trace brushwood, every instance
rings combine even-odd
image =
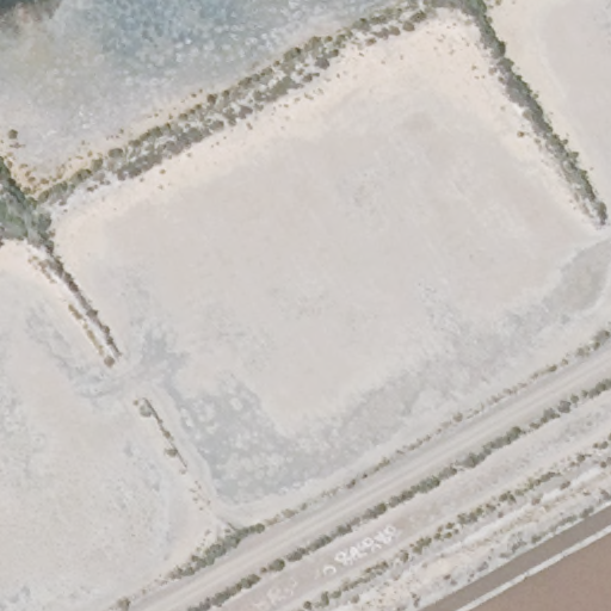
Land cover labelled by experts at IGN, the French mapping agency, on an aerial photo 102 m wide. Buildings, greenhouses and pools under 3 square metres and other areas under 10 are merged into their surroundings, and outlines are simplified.
[[[506,55],[506,43],[496,36],[487,5],[482,0],[387,0],[379,14],[360,17],[346,24],[337,36],[308,38],[298,48],[291,48],[282,57],[270,62],[267,69],[241,79],[222,93],[210,93],[205,103],[193,105],[181,115],[169,115],[167,124],[138,134],[122,148],[110,148],[107,153],[100,153],[100,158],[93,160],[88,167],[79,169],[64,184],[55,184],[36,198],[29,198],[21,191],[21,186],[12,177],[12,169],[0,158],[0,248],[5,241],[26,241],[31,246],[38,246],[29,263],[45,272],[50,282],[62,279],[67,284],[67,289],[74,294],[74,298],[88,315],[84,320],[84,332],[88,341],[98,351],[98,358],[103,358],[105,365],[112,368],[122,358],[122,351],[112,337],[110,325],[103,322],[98,310],[91,306],[86,294],[74,282],[72,272],[60,260],[53,241],[50,215],[45,212],[43,203],[62,205],[67,203],[67,196],[76,189],[98,191],[105,184],[105,174],[110,172],[117,174],[117,179],[134,179],[155,167],[158,162],[174,158],[184,148],[208,138],[210,134],[224,126],[234,126],[236,119],[260,112],[267,103],[274,103],[277,98],[286,95],[286,91],[306,88],[310,81],[322,76],[329,62],[339,57],[339,53],[344,50],[346,41],[351,41],[358,31],[368,36],[368,45],[375,45],[382,38],[415,31],[420,21],[432,19],[437,14],[439,7],[461,10],[475,19],[485,48],[492,50],[494,62],[499,64],[499,81],[506,86],[508,98],[525,107],[525,117],[535,124],[537,134],[544,136],[547,150],[556,155],[558,169],[566,177],[566,181],[580,184],[575,200],[580,203],[580,210],[592,220],[606,220],[606,205],[597,196],[587,172],[578,165],[578,153],[570,150],[568,143],[554,131],[549,119],[544,117],[537,95],[513,69],[513,62]]]
[[[148,399],[134,399],[134,406],[141,411],[141,415],[155,420],[165,439],[174,437]]]
[[[480,518],[494,513],[494,504],[480,504],[470,513],[458,516],[463,525],[473,525]]]
[[[337,590],[325,592],[320,599],[301,604],[296,611],[320,611],[329,606],[329,601],[339,601],[341,594],[346,594],[348,590],[370,585],[382,573],[391,580],[399,580],[406,566],[413,563],[430,544],[458,537],[453,523],[446,523],[437,527],[434,535],[418,539],[389,561],[368,566],[360,578],[346,580]]]
[[[551,482],[554,473],[549,470],[537,477],[530,477],[518,489],[499,494],[501,501],[516,504],[527,492]]]
[[[334,485],[332,489],[325,489],[306,499],[303,504],[286,508],[263,523],[227,530],[227,537],[210,544],[203,556],[191,556],[186,566],[169,570],[169,575],[174,580],[191,578],[203,568],[215,566],[217,558],[236,549],[251,535],[260,535],[272,527],[286,530],[298,520],[327,511],[337,499],[346,499],[356,487],[391,468],[387,458],[382,458],[379,463],[353,475],[348,482]]]
[[[558,406],[551,406],[539,418],[530,420],[532,430],[539,430],[549,420],[556,420],[570,408],[575,408],[580,401],[594,399],[611,389],[611,377],[597,382],[590,389],[580,389],[566,396],[563,401],[558,401]]]
[[[453,477],[456,473],[480,465],[496,449],[508,446],[518,437],[523,437],[520,427],[511,427],[506,434],[485,442],[480,451],[470,453],[468,458],[453,458],[432,477],[425,477],[403,489],[401,494],[384,499],[382,504],[363,513],[351,516],[346,523],[337,525],[327,535],[313,539],[306,547],[294,549],[291,554],[282,554],[272,563],[255,568],[251,575],[236,580],[234,585],[224,587],[212,597],[205,597],[200,604],[186,611],[210,611],[212,606],[220,606],[234,594],[239,594],[241,590],[253,587],[267,573],[277,573],[286,563],[301,561],[303,556],[348,535],[358,525],[375,520],[389,508],[396,508],[399,504],[413,499],[415,494],[430,492],[439,487],[444,480]]]

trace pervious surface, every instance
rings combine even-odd
[[[453,611],[473,611],[487,604],[489,599],[504,594],[506,590],[520,585],[523,580],[551,568],[570,554],[611,535],[611,523]]]
[[[430,544],[413,563],[406,566],[399,580],[391,580],[382,573],[370,585],[348,590],[346,594],[341,594],[339,601],[329,601],[329,606],[320,611],[422,611],[437,599],[458,592],[468,582],[489,575],[499,566],[513,561],[516,556],[575,527],[582,520],[585,508],[599,513],[611,506],[611,389],[594,399],[580,401],[575,408],[570,408],[556,420],[549,420],[539,430],[532,430],[530,420],[539,418],[551,406],[558,406],[558,401],[563,401],[566,396],[580,389],[590,389],[597,382],[611,377],[611,0],[482,0],[487,5],[496,36],[506,43],[506,55],[513,62],[513,69],[537,95],[544,117],[549,119],[554,131],[568,143],[570,150],[578,153],[578,165],[587,172],[597,196],[606,205],[606,220],[592,220],[580,210],[580,203],[575,200],[580,184],[566,181],[566,177],[558,169],[556,155],[547,150],[544,136],[537,134],[535,124],[525,117],[525,107],[508,98],[506,86],[499,81],[499,64],[494,62],[492,50],[485,48],[475,19],[461,10],[439,7],[437,14],[432,19],[420,21],[415,31],[382,38],[375,45],[368,45],[368,36],[358,31],[351,41],[346,41],[344,50],[339,53],[339,57],[329,62],[322,76],[310,81],[306,88],[286,91],[286,95],[277,98],[274,103],[267,103],[260,112],[236,119],[234,126],[224,126],[210,134],[208,138],[184,148],[174,158],[158,162],[155,167],[134,179],[117,179],[117,174],[110,172],[105,174],[105,184],[98,191],[76,189],[67,196],[67,203],[62,205],[43,203],[45,212],[50,215],[53,241],[60,260],[72,272],[74,282],[86,294],[91,306],[98,310],[103,322],[110,325],[112,337],[122,351],[122,358],[112,368],[105,365],[103,358],[98,358],[98,351],[88,341],[84,332],[84,320],[88,315],[74,298],[74,294],[67,289],[67,284],[62,279],[50,282],[45,272],[29,263],[38,246],[31,246],[26,241],[5,241],[0,248],[0,611],[186,611],[200,604],[205,597],[212,597],[224,587],[234,585],[236,580],[251,575],[255,568],[272,563],[282,554],[291,554],[294,549],[306,547],[313,539],[327,535],[337,525],[346,523],[351,516],[363,513],[382,504],[384,499],[401,494],[403,489],[425,477],[432,477],[453,458],[468,458],[470,453],[480,451],[485,442],[506,434],[511,427],[520,427],[523,437],[518,437],[508,446],[496,449],[480,465],[456,473],[453,477],[444,480],[439,487],[430,492],[415,494],[413,499],[399,504],[396,508],[389,508],[375,520],[358,525],[348,535],[303,556],[301,561],[286,563],[277,573],[267,573],[253,587],[241,590],[239,594],[234,594],[220,606],[212,606],[210,611],[296,611],[301,604],[320,599],[325,592],[337,590],[346,580],[360,578],[368,566],[389,561],[418,539],[434,535],[437,527],[446,523],[453,523],[458,537]],[[155,420],[141,415],[141,411],[134,406],[134,399],[148,399],[174,437],[165,439]],[[306,499],[325,489],[332,489],[334,485],[348,482],[353,475],[379,463],[382,458],[387,458],[391,468],[356,487],[346,499],[337,499],[327,511],[298,520],[286,530],[272,527],[260,535],[251,535],[236,549],[217,558],[215,566],[203,568],[191,578],[174,580],[169,575],[169,570],[186,566],[191,556],[203,556],[210,544],[227,537],[227,530],[263,523],[286,508],[303,504]],[[549,470],[554,473],[551,482],[527,492],[516,504],[501,501],[499,494],[518,489],[530,477],[537,477]],[[463,525],[458,516],[470,513],[480,504],[494,504],[494,513],[480,518],[473,525]]]
[[[64,184],[79,169],[88,167],[93,160],[100,158],[100,153],[107,153],[110,148],[122,148],[138,134],[167,124],[169,115],[181,115],[193,105],[205,103],[210,93],[222,93],[241,79],[267,69],[270,62],[282,57],[291,48],[298,48],[308,38],[337,36],[346,24],[360,17],[379,14],[387,0],[0,0],[0,158],[12,169],[12,177],[21,186],[21,191],[29,198],[36,198],[55,184]]]

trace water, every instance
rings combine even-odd
[[[489,575],[468,582],[458,592],[437,599],[422,611],[453,611],[611,523],[611,506],[599,513],[585,508],[582,520],[575,527],[516,556],[513,561],[499,566]]]
[[[570,554],[551,568],[523,580],[520,585],[506,590],[504,594],[489,599],[487,604],[473,611],[611,611],[611,535]]]

